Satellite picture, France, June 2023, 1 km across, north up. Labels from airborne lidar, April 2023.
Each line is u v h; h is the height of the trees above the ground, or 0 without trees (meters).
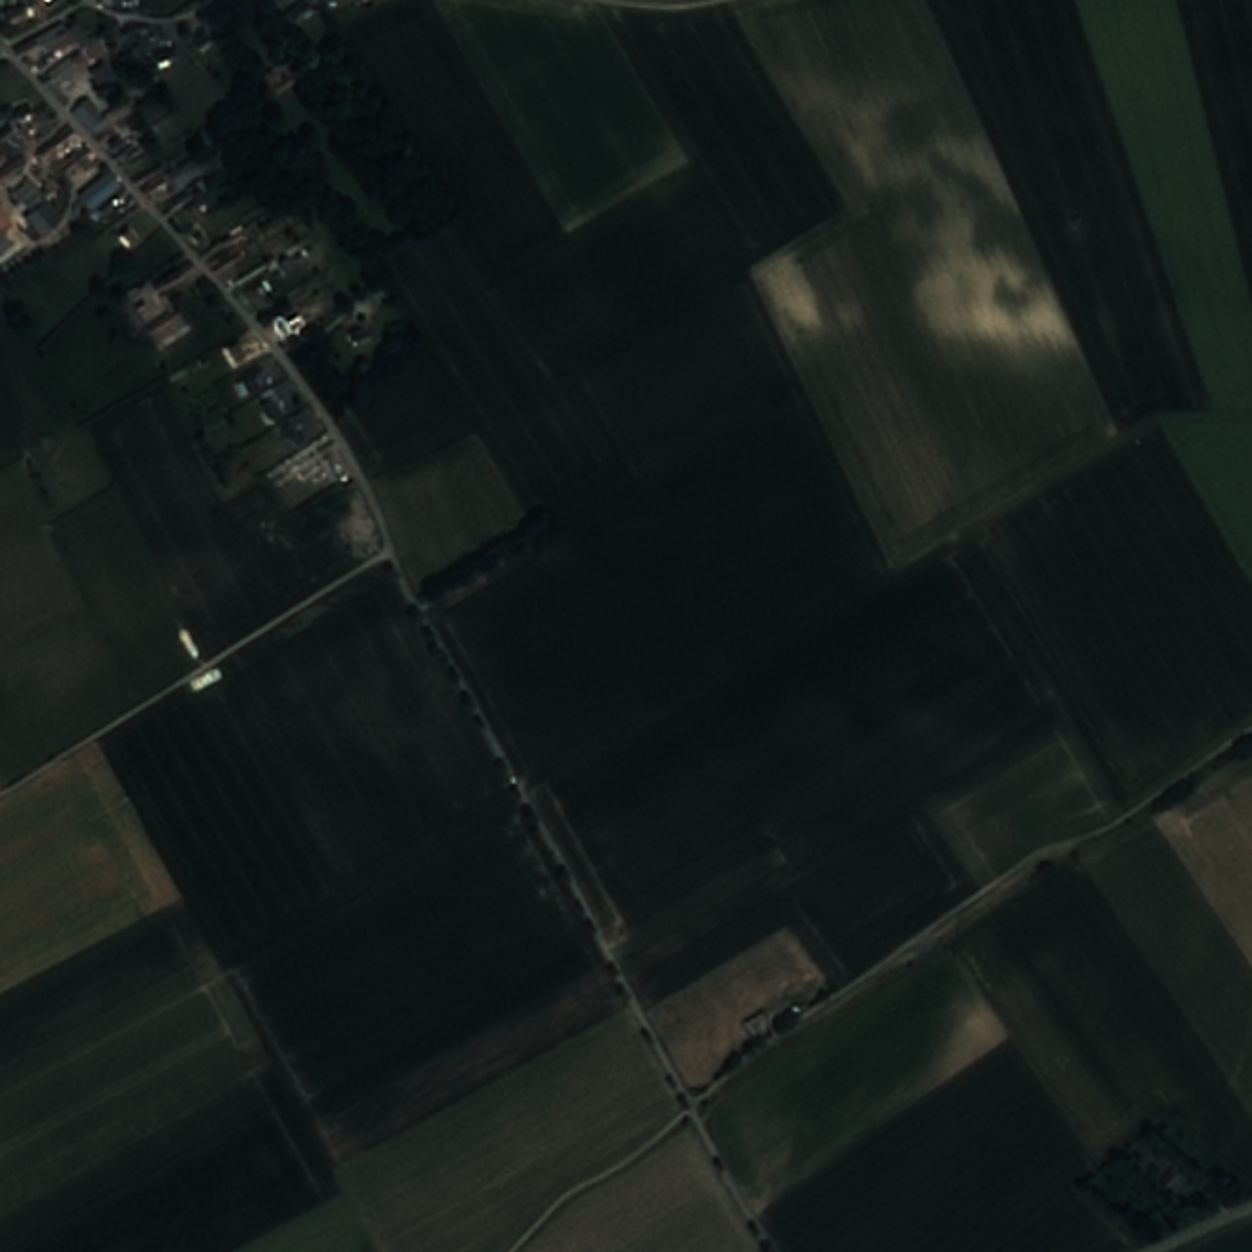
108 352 0
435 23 0
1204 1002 0
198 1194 0
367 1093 0
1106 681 0
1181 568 0
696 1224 0
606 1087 0
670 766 0
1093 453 0
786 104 0
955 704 0
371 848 0
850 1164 0
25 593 0
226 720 0
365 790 0
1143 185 0
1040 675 0
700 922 0
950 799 0
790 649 0
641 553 0
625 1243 0
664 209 0
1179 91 0
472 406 0
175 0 0
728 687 0
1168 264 0
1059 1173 0
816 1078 0
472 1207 0
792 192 0
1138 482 0
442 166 0
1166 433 0
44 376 0
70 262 0
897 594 0
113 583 0
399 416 0
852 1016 0
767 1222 0
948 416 0
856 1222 0
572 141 0
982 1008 0
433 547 0
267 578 0
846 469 0
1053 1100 0
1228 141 0
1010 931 0
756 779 0
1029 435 0
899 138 0
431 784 0
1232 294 0
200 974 0
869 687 0
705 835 0
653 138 0
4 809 0
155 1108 0
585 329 0
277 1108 0
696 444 0
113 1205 0
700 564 0
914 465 0
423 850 0
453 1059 0
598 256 0
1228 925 0
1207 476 0
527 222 0
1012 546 0
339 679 0
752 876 0
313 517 0
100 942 0
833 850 0
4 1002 0
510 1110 0
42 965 0
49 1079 0
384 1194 0
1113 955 0
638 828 0
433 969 0
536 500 0
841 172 0
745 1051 8
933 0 0
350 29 0
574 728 0
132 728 0
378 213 0
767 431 0
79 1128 0
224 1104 0
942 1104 0
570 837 0
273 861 0
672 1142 0
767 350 0
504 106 0
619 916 0
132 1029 0
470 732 0
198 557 0
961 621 0
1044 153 0
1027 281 0
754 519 0
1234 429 0
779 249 0
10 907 0
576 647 0
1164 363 0
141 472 0
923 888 0
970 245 0
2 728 0
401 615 0
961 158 0
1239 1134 0
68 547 0
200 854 0
